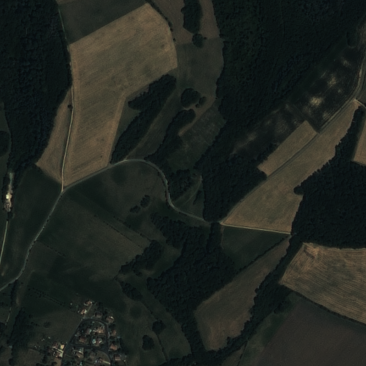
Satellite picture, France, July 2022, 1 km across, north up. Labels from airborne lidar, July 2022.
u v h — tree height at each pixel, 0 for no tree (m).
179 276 26
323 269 0
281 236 0
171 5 0
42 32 23
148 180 0
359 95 0
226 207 18
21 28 30
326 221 26
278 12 7
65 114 0
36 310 0
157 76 0
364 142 0
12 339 7
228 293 0
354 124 16
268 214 0
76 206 0
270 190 0
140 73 0
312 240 18
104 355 0
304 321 0
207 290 19
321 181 21
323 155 0
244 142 0
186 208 0
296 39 12
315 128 0
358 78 0
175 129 22
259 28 16
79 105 0
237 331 0
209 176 24
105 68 0
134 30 0
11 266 0
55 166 0
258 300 16
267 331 0
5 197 7
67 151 0
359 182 24
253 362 0
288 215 0
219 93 20
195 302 18
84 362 8
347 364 0
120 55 0
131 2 0
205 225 0
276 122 0
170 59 0
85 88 0
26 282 0
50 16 7
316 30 9
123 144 18
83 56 0
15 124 19
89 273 0
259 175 18
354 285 0
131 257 0
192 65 0
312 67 14
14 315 0
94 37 0
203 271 15
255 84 18
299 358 0
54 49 9
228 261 16
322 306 10
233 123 20
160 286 18
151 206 0
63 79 11
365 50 0
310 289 0
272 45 13
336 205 20
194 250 20
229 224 0
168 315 0
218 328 0
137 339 0
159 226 10
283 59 9
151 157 17
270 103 15
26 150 15
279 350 0
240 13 20
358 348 0
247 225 0
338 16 11
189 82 0
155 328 15
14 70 23
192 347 16
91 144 0
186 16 12
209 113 0
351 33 16
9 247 0
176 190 14
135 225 0
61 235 0
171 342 0
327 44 13
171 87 19
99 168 0
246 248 0
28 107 22
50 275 0
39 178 0
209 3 0
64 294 0
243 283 0
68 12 0
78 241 0
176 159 0
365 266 0
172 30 10
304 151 0
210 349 0
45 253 0
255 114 16
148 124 19
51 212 0
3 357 0
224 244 0
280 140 0
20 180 16
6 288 0
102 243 0
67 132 0
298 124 0
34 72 27
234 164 22
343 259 0
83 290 0
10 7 23
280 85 24
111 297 0
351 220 22
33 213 0
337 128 0
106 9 0
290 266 0
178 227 20
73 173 0
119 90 0
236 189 22
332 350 0
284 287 9
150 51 0
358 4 14
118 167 0
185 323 11
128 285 12
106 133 0
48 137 13
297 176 0
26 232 0
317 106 0
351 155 15
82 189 0
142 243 0
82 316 0
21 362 0
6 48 25
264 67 16
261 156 12
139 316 0
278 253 0
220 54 0
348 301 0
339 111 0
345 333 0
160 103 18
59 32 16
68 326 0
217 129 0
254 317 10
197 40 13
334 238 20
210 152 20
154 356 0
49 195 0
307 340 0
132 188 0
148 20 0
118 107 0
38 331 0
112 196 0
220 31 9
